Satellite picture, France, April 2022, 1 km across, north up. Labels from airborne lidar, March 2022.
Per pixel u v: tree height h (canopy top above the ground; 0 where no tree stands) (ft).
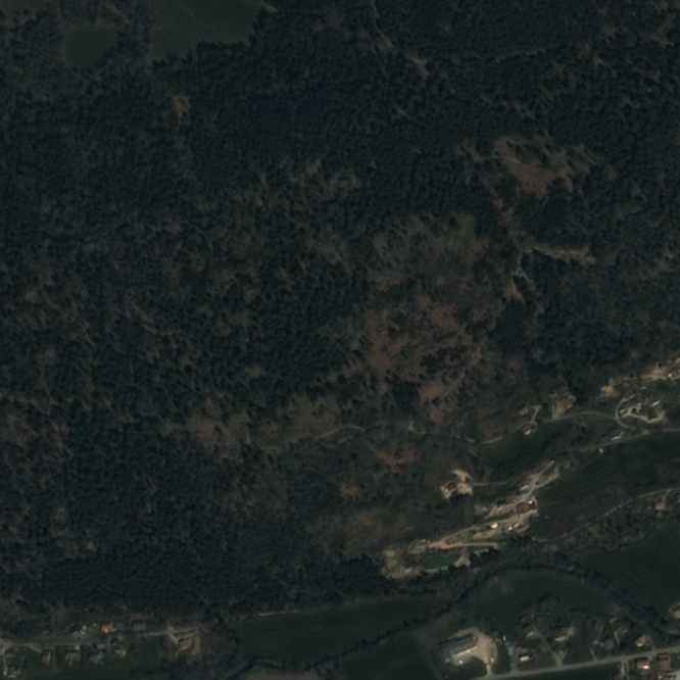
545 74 28
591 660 0
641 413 0
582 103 33
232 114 24
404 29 83
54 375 71
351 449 24
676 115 90
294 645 0
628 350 51
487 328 29
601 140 102
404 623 0
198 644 0
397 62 37
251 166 25
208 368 92
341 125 37
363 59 53
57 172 41
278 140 62
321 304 94
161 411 46
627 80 61
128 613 21
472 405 47
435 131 98
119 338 80
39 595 106
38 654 0
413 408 65
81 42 0
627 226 52
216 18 0
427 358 23
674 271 79
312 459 77
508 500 0
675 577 0
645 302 77
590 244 74
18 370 44
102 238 49
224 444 65
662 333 53
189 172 31
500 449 0
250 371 71
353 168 63
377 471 35
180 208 28
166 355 39
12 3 0
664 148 60
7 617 39
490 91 39
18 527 109
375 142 93
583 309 34
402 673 0
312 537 74
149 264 71
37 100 75
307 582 73
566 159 0
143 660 0
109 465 65
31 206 65
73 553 57
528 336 71
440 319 0
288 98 43
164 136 36
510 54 56
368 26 52
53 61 69
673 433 0
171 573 104
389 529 0
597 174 82
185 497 94
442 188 76
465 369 49
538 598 0
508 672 0
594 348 57
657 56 40
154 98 47
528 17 73
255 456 98
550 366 33
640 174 106
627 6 79
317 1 102
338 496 67
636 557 0
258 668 62
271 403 70
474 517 0
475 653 0
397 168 110
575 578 45
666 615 0
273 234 24
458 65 57
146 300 75
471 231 0
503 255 27
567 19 63
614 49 51
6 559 104
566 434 24
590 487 0
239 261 35
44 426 110
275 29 71
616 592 62
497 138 114
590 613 22
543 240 68
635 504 28
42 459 82
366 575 85
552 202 35
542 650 0
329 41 55
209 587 68
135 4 60
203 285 50
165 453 44
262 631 0
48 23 65
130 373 87
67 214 61
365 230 73
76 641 0
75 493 115
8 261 32
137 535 74
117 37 0
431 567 0
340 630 0
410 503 82
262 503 64
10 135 54
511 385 54
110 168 20
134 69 57
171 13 0
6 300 35
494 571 61
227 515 25
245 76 64
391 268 74
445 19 48
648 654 0
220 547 69
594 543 27
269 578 27
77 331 29
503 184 44
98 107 40
